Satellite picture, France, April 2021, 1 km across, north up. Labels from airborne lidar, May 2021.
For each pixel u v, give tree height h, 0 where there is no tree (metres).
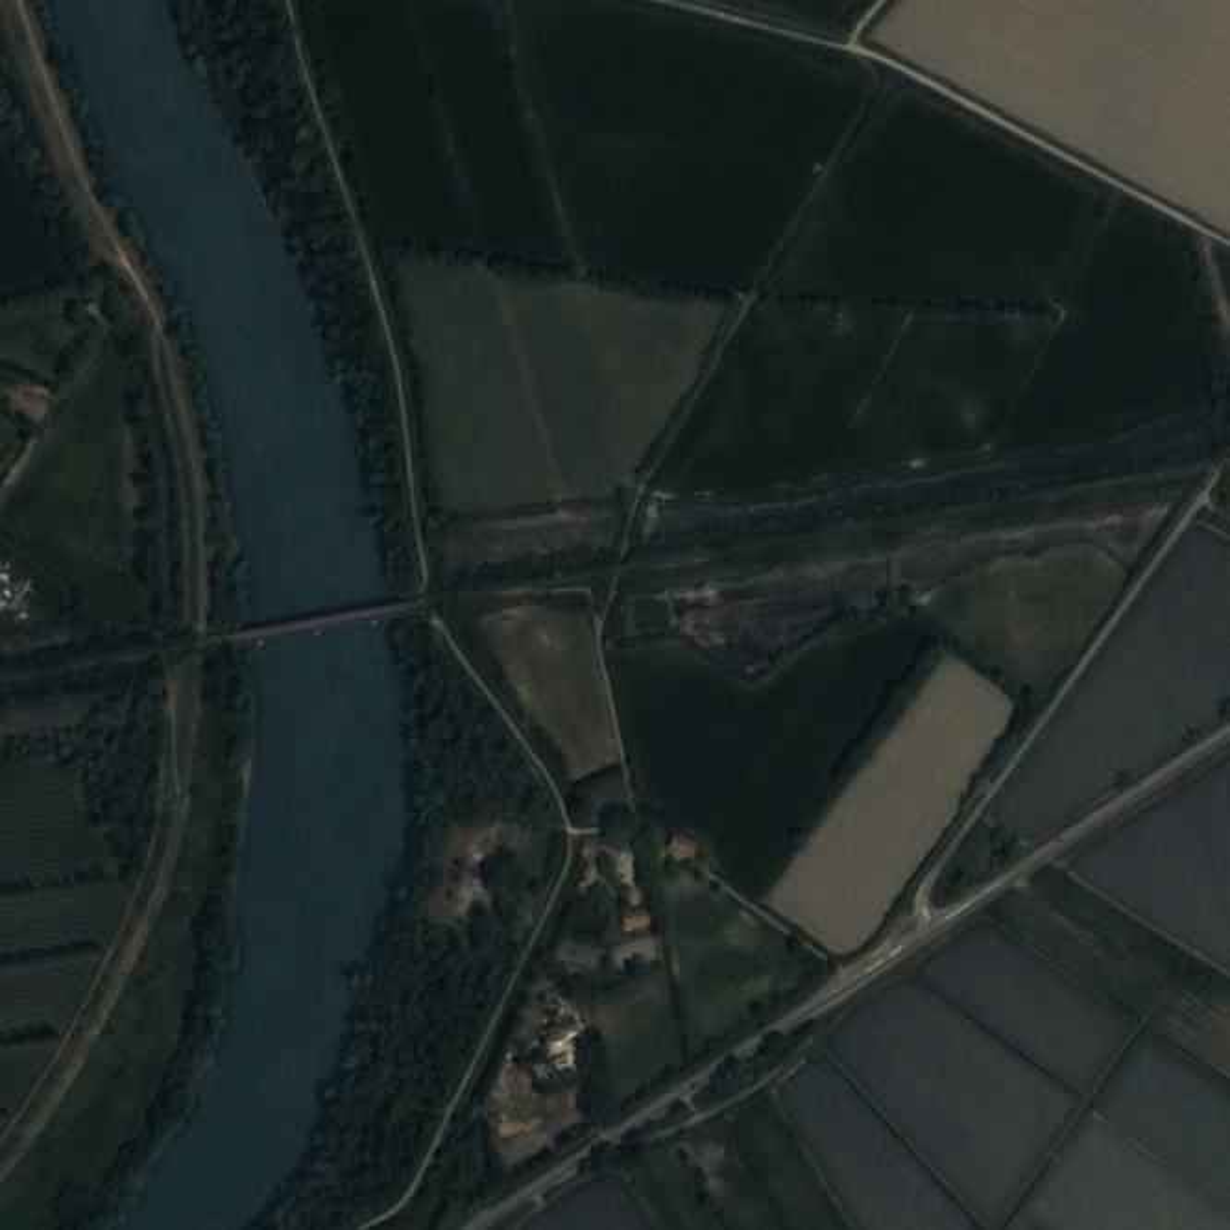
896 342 0
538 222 0
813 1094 0
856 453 0
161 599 22
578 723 0
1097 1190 0
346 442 0
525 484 0
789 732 0
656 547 7
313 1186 19
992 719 0
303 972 0
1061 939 0
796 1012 0
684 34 0
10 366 0
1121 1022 0
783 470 0
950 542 0
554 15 0
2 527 8
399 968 19
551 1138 0
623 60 0
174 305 14
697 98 0
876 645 0
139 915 0
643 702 0
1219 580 0
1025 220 0
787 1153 0
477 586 10
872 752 13
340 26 0
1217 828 0
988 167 0
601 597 6
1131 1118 0
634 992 0
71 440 0
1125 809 0
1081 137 0
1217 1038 0
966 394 0
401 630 12
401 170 0
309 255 10
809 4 0
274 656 0
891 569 0
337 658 0
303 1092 0
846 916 0
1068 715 0
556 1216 0
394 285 8
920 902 0
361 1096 18
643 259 0
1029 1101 0
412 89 0
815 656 0
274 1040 0
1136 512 0
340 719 0
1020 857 13
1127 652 0
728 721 0
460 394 0
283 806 0
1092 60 0
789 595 0
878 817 0
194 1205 0
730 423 0
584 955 0
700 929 0
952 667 0
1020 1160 0
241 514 0
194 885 0
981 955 0
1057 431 0
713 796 0
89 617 11
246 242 0
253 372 0
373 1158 7
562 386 0
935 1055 0
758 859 0
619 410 0
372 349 25
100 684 11
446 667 10
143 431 23
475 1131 13
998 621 0
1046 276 0
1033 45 0
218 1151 0
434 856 24
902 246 0
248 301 0
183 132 0
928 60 0
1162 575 0
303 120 17
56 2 0
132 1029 0
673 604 0
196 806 0
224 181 0
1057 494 0
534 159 0
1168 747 0
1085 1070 0
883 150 0
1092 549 0
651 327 0
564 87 0
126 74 0
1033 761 0
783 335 0
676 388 0
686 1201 0
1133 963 0
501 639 0
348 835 0
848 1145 0
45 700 12
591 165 0
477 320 0
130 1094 0
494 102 0
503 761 16
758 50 0
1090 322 0
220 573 16
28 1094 0
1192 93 0
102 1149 0
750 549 0
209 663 10
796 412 0
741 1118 0
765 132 0
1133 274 0
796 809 0
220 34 24
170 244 0
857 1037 0
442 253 17
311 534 0
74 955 14
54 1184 0
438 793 21
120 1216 9
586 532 0
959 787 0
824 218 0
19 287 0
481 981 9
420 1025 21
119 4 0
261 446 0
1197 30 0
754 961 0
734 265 0
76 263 19
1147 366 0
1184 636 0
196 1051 17
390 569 8
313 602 0
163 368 0
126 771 10
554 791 0
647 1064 0
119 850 11
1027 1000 0
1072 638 0
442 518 13
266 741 0
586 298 0
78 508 0
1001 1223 0
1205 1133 0
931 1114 0
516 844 0
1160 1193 0
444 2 0
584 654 0
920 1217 0
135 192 0
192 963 0
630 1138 10
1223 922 0
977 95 0
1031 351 0
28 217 0
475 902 0
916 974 0
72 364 20
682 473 0
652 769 0
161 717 16
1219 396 13
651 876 23
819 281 0
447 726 22
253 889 0
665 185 0
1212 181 0
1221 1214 0
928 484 0
